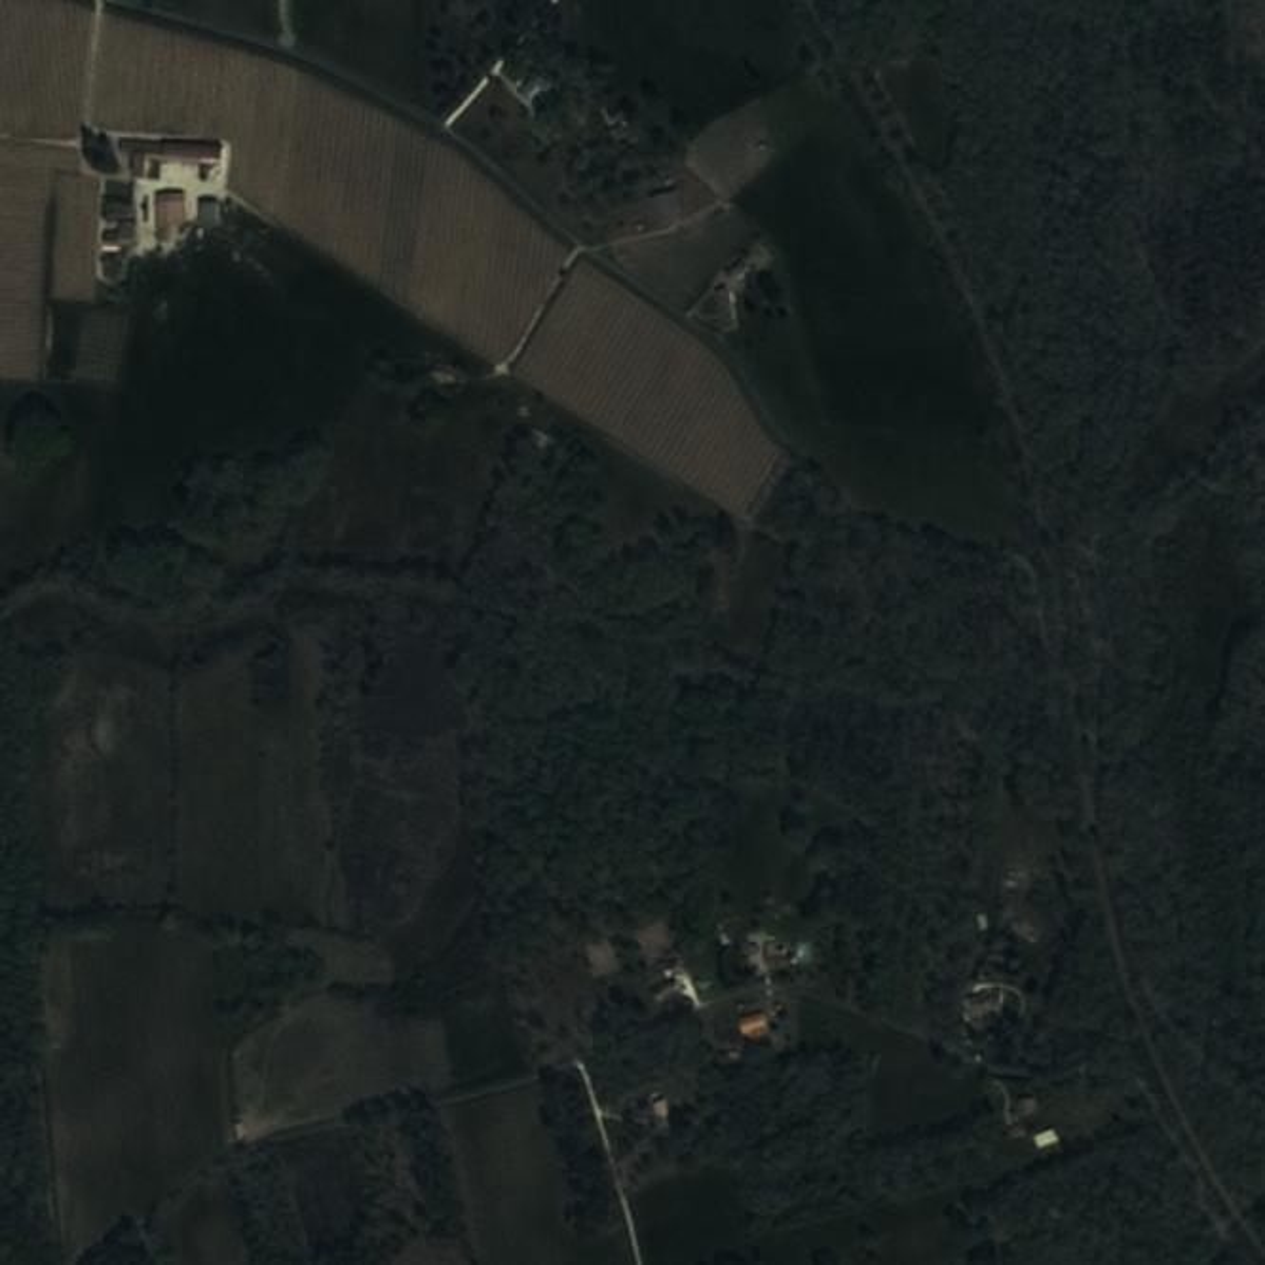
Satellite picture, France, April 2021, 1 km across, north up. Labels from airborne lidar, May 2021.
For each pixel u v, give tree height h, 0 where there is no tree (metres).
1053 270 23
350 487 0
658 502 0
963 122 14
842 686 17
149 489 0
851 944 6
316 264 0
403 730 0
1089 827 19
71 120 0
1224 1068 23
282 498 21
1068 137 25
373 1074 0
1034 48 24
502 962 17
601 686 25
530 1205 0
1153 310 16
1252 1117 19
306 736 0
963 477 0
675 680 25
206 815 0
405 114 0
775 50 0
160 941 0
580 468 18
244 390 0
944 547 26
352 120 0
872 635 12
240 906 0
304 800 0
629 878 19
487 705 17
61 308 0
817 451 0
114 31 0
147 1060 0
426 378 9
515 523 19
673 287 0
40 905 15
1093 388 20
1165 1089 9
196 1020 0
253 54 0
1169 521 23
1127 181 20
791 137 0
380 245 0
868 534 13
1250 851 20
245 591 16
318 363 0
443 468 0
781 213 0
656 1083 14
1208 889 8
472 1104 0
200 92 0
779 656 18
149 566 27
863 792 20
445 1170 25
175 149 0
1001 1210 17
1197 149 24
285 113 0
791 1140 19
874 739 19
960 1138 17
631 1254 0
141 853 0
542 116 16
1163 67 21
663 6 0
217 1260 0
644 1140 16
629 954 19
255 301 0
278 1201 9
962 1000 13
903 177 16
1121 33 20
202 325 0
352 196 0
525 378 0
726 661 18
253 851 0
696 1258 0
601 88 13
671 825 22
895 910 20
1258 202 23
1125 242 19
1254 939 15
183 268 0
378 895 0
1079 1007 22
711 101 0
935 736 16
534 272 0
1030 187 21
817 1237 0
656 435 0
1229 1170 15
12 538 0
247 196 0
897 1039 0
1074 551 17
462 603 19
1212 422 0
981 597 14
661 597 22
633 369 0
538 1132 0
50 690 14
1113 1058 20
